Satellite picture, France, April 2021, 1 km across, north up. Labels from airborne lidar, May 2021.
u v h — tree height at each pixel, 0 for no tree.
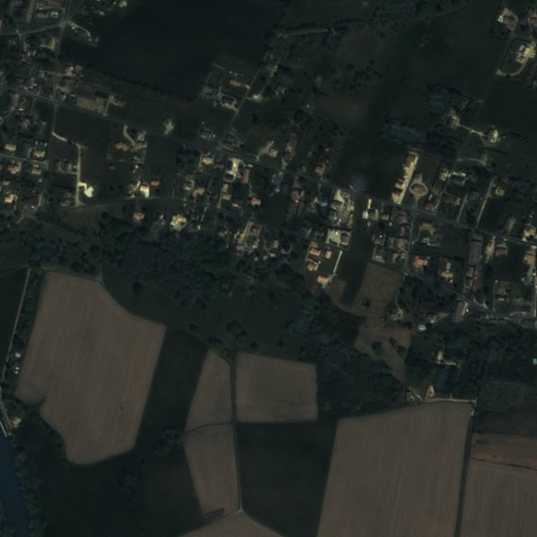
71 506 0
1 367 0
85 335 0
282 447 0
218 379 0
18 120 7
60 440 15
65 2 0
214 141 0
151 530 0
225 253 12
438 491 0
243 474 0
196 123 0
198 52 0
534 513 0
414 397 0
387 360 0
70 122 0
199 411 0
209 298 17
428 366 9
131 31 0
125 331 0
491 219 0
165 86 0
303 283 17
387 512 0
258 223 0
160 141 0
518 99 0
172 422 0
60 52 0
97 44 0
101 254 18
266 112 0
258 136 0
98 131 0
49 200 8
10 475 0
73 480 0
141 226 0
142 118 0
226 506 0
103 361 0
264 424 0
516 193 9
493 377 21
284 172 0
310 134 7
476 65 0
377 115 0
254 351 12
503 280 0
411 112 0
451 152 8
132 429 0
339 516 0
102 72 8
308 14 0
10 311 0
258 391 0
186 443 0
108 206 0
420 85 0
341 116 0
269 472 0
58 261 11
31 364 0
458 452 0
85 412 0
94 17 0
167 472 0
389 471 0
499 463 0
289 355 0
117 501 0
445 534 0
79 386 0
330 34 10
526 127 0
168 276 25
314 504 0
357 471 0
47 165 0
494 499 0
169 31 0
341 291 0
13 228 13
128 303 0
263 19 0
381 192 0
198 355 0
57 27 0
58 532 0
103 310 0
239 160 0
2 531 14
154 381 0
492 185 0
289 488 0
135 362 0
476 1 15
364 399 0
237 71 0
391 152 0
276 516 0
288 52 8
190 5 0
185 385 0
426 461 0
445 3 21
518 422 0
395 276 0
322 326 6
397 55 0
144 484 0
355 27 13
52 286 0
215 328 0
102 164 0
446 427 0
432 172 0
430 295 11
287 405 0
